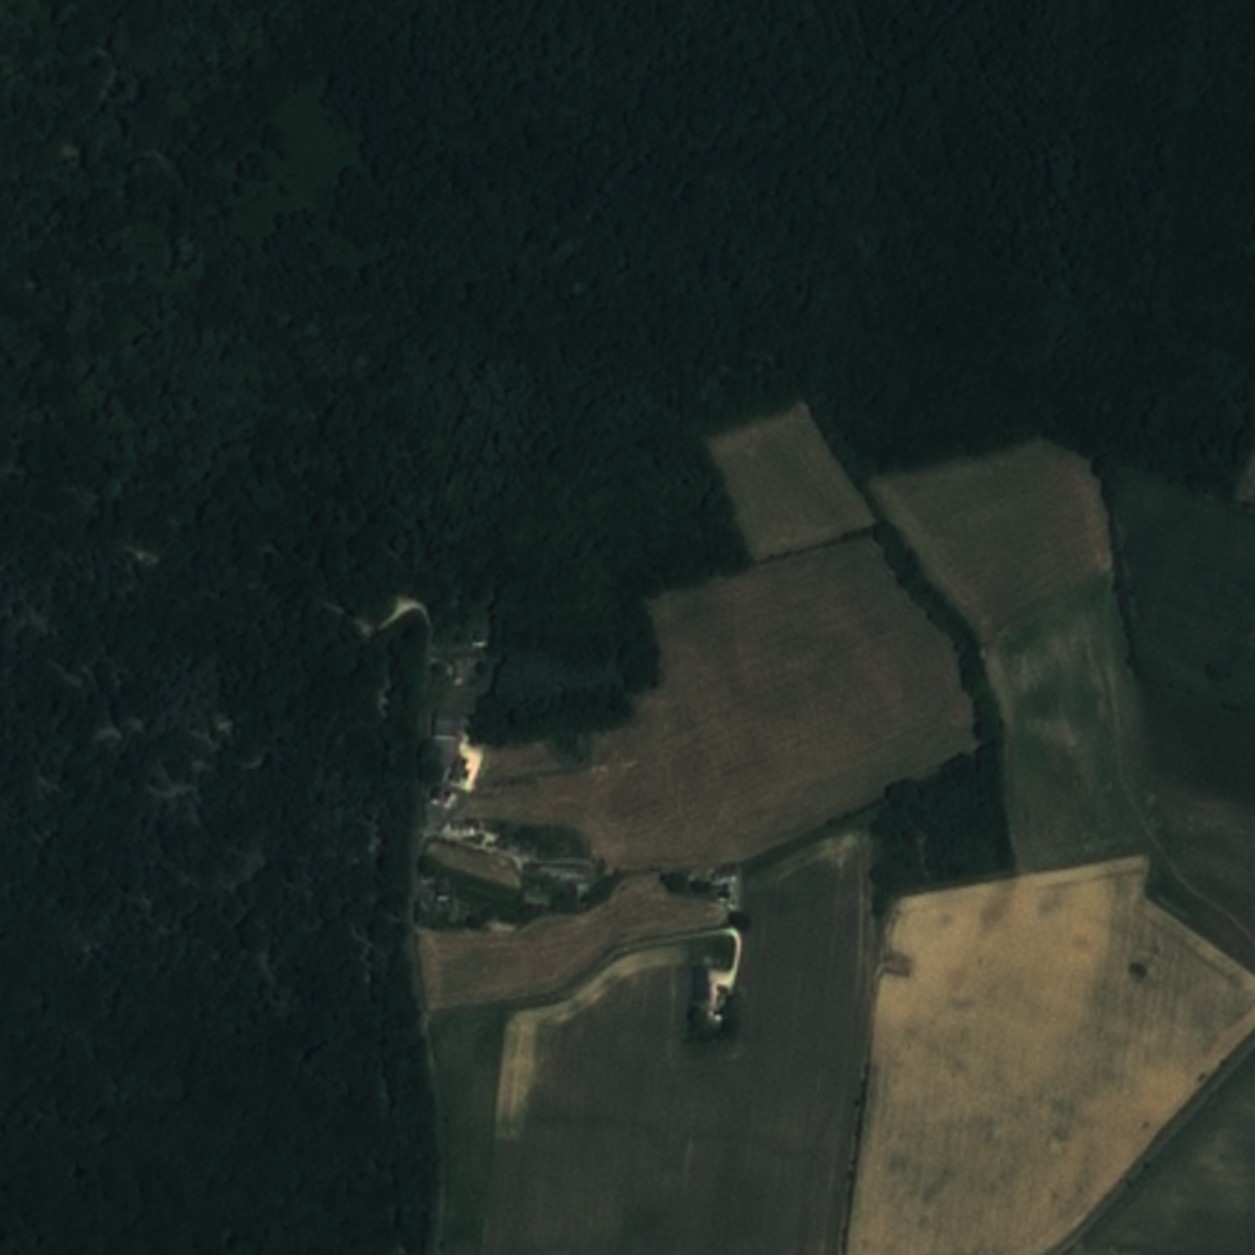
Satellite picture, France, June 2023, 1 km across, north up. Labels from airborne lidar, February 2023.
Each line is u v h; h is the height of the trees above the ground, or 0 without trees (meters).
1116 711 0
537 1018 0
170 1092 22
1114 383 15
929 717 0
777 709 0
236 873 22
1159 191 11
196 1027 27
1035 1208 0
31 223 24
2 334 21
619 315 18
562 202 26
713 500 16
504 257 25
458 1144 0
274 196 0
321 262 16
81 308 21
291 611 20
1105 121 9
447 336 27
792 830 0
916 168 12
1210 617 0
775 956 0
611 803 0
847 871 0
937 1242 0
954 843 9
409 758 23
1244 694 0
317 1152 30
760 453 0
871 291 13
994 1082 0
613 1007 0
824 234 25
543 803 0
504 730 14
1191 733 0
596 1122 0
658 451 20
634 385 16
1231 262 9
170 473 24
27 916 27
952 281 17
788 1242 0
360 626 27
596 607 18
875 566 0
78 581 21
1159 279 15
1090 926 0
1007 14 28
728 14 22
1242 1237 0
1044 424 17
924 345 10
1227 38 13
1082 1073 0
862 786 0
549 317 22
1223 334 15
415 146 26
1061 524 0
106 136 20
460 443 23
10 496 22
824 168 27
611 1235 0
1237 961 0
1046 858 0
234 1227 24
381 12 16
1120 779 0
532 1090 0
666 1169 0
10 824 23
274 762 15
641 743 0
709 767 0
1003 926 0
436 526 21
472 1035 0
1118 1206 0
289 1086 26
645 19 25
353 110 14
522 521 20
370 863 10
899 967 0
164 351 18
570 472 24
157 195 22
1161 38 7
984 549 0
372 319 19
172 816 25
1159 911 0
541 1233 0
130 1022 21
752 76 27
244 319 19
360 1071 24
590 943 0
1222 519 0
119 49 29
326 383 20
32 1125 30
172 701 22
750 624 0
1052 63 16
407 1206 25
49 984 29
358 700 25
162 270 21
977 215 13
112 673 22
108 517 23
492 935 0
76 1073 28
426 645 11
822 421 13
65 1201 27
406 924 16
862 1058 0
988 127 7
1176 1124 0
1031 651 0
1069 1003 0
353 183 16
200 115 17
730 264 26
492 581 7
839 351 16
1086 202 16
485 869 0
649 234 25
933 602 12
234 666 20
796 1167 0
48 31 22
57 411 21
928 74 17
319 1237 30
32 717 22
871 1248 0
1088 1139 0
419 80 14
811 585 0
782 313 24
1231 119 14
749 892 0
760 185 24
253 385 21
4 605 17
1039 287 8
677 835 0
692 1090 0
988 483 0
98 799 20
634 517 20
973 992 0
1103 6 10
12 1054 24
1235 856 0
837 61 20
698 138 24
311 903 20
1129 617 6
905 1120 0
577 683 18
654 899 0
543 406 19
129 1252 28
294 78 18
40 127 22
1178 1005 0
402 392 21
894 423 15
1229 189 11
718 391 19
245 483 26
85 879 25
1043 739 0
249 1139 30
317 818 24
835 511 0
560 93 27
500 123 24
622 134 9
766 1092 0
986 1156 0
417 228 24
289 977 22
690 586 12
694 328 24
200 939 24
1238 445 20
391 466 24
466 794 0
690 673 0
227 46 23
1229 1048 0
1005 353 13
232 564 10
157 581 21
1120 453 12
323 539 22
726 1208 0
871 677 0
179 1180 32
